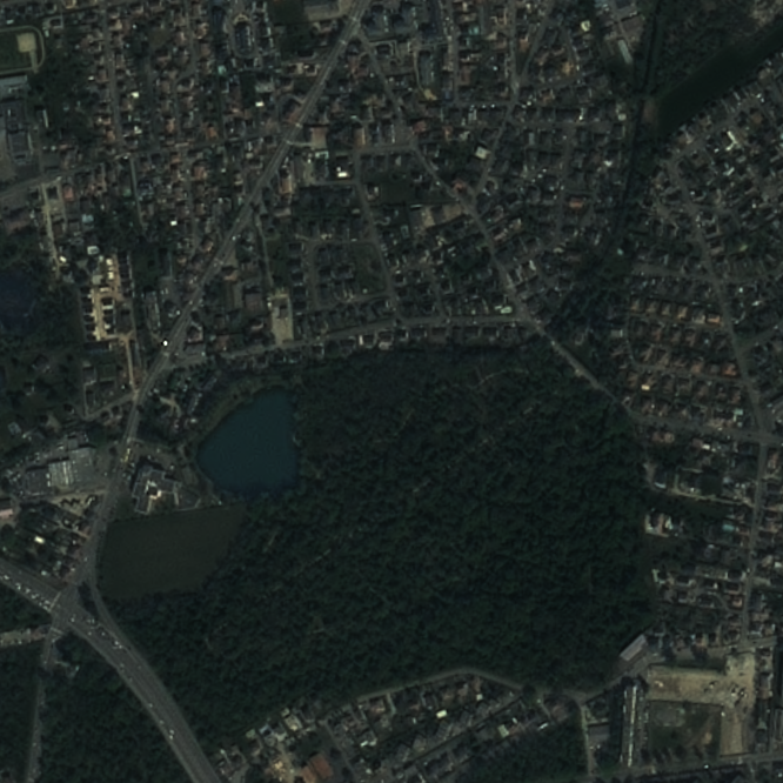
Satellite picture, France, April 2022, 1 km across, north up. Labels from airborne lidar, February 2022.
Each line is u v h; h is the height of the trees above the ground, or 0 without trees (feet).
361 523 56
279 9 0
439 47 0
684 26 20
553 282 0
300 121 0
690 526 25
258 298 0
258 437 0
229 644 65
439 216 0
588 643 58
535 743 58
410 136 0
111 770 55
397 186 0
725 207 0
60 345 46
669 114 0
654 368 0
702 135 0
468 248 0
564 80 0
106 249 36
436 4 0
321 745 34
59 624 0
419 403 26
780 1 0
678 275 0
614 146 20
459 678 0
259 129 0
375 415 79
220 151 0
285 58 0
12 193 0
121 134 0
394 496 64
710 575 0
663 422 0
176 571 0
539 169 0
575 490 65
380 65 0
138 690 0
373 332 0
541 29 0
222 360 48
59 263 0
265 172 0
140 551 0
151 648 57
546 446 53
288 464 0
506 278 0
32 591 0
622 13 0
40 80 0
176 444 52
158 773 64
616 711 41
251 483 0
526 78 0
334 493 58
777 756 0
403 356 67
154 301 0
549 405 60
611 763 72
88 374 0
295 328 0
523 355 44
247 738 0
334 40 40
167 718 0
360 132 0
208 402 55
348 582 40
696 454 26
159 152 0
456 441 65
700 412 0
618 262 25
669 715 0
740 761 0
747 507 20
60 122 0
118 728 33
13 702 60
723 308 0
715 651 0
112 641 0
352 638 36
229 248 0
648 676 0
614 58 0
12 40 0
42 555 40
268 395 0
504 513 73
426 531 51
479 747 32
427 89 0
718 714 0
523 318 0
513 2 0
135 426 0
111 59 0
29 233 53
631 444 42
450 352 41
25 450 25
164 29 0
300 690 29
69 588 0
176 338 0
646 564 0
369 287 0
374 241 0
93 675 68
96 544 0
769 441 0
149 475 0
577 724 49
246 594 57
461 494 75
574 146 0
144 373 0
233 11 0
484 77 0
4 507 0
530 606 75
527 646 61
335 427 60
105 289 0
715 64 0
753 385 0
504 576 76
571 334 44
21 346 54
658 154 31
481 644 73
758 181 0
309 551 48
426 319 0
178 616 64
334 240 0
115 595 0
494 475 42
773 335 0
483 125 0
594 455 64
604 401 56
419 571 48
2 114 0
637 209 28
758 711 24
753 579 0
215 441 0
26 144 0
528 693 38
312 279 0
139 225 0
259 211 43
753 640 0
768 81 0
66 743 29
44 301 34
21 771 44
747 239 39
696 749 0
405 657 64
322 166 0
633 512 72
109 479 0
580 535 66
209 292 47
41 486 0
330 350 39
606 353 25
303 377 0
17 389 0
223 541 0
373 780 0
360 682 53
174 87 0
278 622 50
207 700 36
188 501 0
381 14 0
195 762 0
